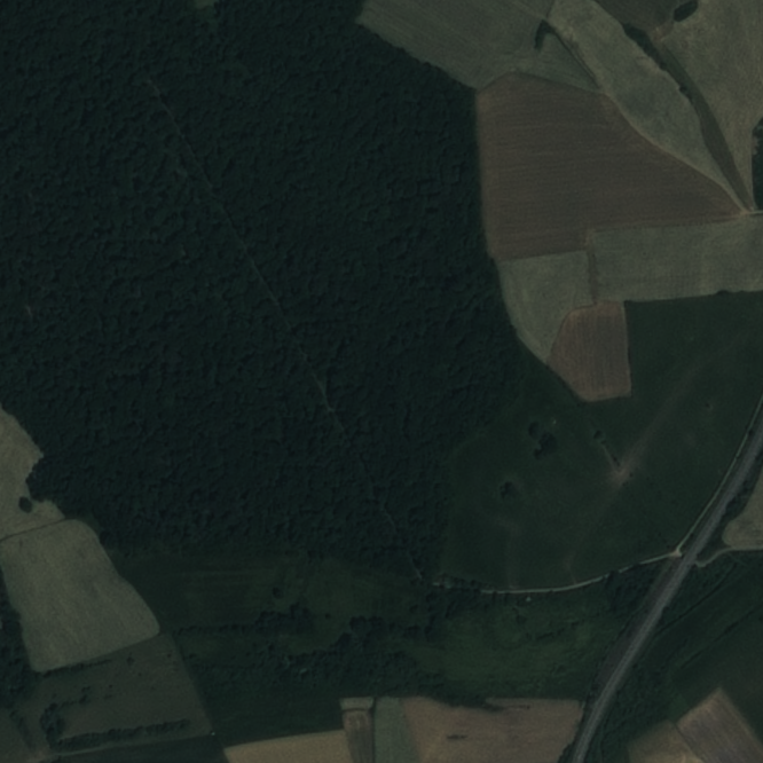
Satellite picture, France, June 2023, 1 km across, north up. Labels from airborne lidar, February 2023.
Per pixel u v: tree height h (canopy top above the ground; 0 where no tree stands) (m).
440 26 0
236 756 0
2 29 28
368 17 0
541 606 0
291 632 15
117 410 26
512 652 0
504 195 0
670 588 0
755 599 0
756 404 0
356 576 0
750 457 0
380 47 25
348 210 28
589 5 0
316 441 27
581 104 0
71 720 0
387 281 30
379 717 0
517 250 0
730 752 0
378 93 25
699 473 0
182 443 30
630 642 0
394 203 22
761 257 0
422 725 0
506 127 0
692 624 0
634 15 0
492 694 0
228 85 28
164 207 27
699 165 0
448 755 0
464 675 0
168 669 0
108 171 30
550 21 0
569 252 0
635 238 0
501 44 0
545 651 0
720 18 0
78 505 22
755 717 0
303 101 28
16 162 29
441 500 19
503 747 0
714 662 0
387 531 27
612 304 0
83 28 25
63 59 25
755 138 0
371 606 0
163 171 22
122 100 25
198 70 23
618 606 12
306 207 31
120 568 0
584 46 0
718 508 0
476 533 0
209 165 25
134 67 24
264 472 27
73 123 21
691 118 0
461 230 27
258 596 0
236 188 27
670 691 0
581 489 0
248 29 25
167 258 23
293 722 0
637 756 0
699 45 0
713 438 0
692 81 0
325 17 26
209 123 28
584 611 0
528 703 0
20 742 0
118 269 27
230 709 0
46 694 0
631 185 0
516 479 0
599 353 0
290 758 0
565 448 0
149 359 29
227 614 0
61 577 0
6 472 0
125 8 20
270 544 21
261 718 0
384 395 30
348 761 0
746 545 0
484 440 0
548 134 0
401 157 27
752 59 0
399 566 25
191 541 22
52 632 0
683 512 0
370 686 6
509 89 0
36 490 18
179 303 26
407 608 0
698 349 0
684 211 0
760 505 0
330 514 26
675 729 0
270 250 25
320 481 28
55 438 24
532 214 0
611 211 0
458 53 0
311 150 24
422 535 27
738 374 0
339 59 28
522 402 0
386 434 25
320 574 0
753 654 0
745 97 0
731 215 0
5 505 0
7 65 25
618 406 0
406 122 27
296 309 27
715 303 0
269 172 24
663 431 0
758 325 0
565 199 0
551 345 0
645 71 0
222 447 25
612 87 0
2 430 0
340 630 0
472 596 8
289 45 24
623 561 0
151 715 0
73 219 27
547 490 0
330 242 24
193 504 26
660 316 0
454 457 0
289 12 26
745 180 0
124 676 0
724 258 0
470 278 24
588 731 0
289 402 31
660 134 0
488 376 25
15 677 7
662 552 0
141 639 0
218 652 0
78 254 32
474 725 0
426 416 24
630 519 0
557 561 0
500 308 14
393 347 28
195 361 28
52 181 28
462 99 18
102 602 0
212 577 0
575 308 0
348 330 28
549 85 0
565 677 0
